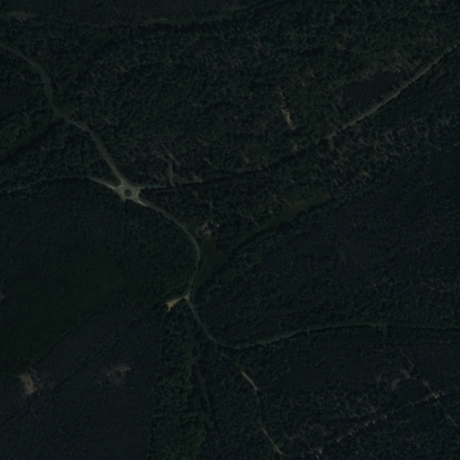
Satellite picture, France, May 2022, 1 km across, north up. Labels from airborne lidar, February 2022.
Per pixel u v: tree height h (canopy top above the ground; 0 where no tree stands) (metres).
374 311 17
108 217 22
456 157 13
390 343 6
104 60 28
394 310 25
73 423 23
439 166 12
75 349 21
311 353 11
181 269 25
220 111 30
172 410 29
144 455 20
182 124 27
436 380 19
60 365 21
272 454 26
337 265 21
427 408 19
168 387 33
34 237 20
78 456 24
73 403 23
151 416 22
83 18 26
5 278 15
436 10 30
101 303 11
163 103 32
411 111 12
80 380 22
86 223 22
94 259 13
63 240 17
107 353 19
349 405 19
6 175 27
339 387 10
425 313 21
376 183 22
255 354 13
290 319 14
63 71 22
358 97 12
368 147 7
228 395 26
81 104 30
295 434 27
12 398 21
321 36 27
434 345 20
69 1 23
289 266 20
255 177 28
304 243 21
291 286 23
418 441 28
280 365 11
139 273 19
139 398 20
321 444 17
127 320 20
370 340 11
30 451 25
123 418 22
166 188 30
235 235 25
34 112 31
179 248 22
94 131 30
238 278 9
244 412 25
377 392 27
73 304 14
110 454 21
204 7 22
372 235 23
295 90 28
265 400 24
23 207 20
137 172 6
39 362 19
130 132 30
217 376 26
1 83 22
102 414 23
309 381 12
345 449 9
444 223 22
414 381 10
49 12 20
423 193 14
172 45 27
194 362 0
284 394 16
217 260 0
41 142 28
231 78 31
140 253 18
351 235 19
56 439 25
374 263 12
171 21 8
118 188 0
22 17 0
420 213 19
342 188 31
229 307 23
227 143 28
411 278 11
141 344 23
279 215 21
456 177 11
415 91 12
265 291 10
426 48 8
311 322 20
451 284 25
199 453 28
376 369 8
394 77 13
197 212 36
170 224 25
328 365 11
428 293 18
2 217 20
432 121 16
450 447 32
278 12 31
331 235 18
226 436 26
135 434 22
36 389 22
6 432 23
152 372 23
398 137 26
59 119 0
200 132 28
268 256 26
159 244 21
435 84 10
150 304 18
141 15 23
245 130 28
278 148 28
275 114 28
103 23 25
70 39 24
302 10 30
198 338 16
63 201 21
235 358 29
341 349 10
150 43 33
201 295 23
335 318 19
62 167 30
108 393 21
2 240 18
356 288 21
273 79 29
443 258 9
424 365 17
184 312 17
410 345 18
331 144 0
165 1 20
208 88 27
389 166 19
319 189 16
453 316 23
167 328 12
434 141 31
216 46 7
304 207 0
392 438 9
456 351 21
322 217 25
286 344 15
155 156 9
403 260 9
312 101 28
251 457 16
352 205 23
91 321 19
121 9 22
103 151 0
